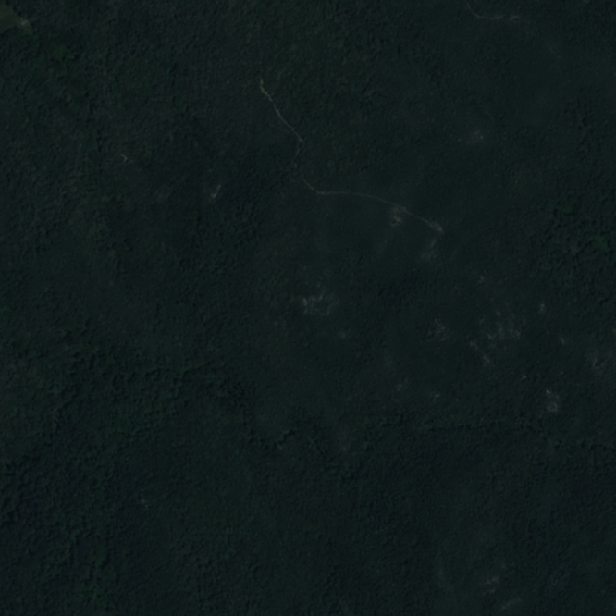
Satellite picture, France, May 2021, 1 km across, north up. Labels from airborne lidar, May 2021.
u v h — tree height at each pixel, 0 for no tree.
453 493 8
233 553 11
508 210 9
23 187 10
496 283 6
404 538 14
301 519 16
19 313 18
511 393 10
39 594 7
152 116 9
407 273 8
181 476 11
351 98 15
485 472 11
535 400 16
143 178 7
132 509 9
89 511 8
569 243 15
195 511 8
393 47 19
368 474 16
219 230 8
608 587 9
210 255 6
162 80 8
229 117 10
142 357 9
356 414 17
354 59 11
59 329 16
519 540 14
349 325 6
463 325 6
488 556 9
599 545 7
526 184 9
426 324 8
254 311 6
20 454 23
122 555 6
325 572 15
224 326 10
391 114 8
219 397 10
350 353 6
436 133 10
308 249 6
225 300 5
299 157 8
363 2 15
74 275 8
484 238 7
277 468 9
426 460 11
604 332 7
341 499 19
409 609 14
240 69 8
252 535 10
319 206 6
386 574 7
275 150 10
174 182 20
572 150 9
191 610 8
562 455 19
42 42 12
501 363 8
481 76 7
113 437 8
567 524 8
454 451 8
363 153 9
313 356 11
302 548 12
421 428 18
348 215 6
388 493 11
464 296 7
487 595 6
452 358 6
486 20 6
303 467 8
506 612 6
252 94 7
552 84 6
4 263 10
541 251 14
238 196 10
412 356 8
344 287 6
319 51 7
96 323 8
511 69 7
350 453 11
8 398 7
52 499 9
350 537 14
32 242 8
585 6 7
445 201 7
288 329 9
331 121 8
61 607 8
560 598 8
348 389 7
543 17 11
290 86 13
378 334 6
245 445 12
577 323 7
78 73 20
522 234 8
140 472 8
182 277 6
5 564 12
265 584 11
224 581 13
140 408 9
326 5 14
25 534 18
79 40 18
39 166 10
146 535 6
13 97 12
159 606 7
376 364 8
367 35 12
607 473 13
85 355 7
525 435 17
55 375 12
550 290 10
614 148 8
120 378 15
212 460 9
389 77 7
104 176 17
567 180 11
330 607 9
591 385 9
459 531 8
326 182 6
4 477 19
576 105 7
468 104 10
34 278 9
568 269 15
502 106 7
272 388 10
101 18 8
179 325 7
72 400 11
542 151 8
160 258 10
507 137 7
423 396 7
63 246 8
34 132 10
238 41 10
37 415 10
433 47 8
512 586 9
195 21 11
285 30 11
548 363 6
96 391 19
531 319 9
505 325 7
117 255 10
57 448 14
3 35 14
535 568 9
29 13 9
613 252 15
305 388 7
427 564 15
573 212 12
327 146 9
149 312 15
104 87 10
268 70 8
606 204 12
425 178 6
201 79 11
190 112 15
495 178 8
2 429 10
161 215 14
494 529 7
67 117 15
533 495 8
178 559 8
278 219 6
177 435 6
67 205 16
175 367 8
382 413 11
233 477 9
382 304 6
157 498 7
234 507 9
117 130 11
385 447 7
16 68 16
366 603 16
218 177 10
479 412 10
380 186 6
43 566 13
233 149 11
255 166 13
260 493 12
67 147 12
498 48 8
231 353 12
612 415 13
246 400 18
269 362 7
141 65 12
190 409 19
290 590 9
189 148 18
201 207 17
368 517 11
